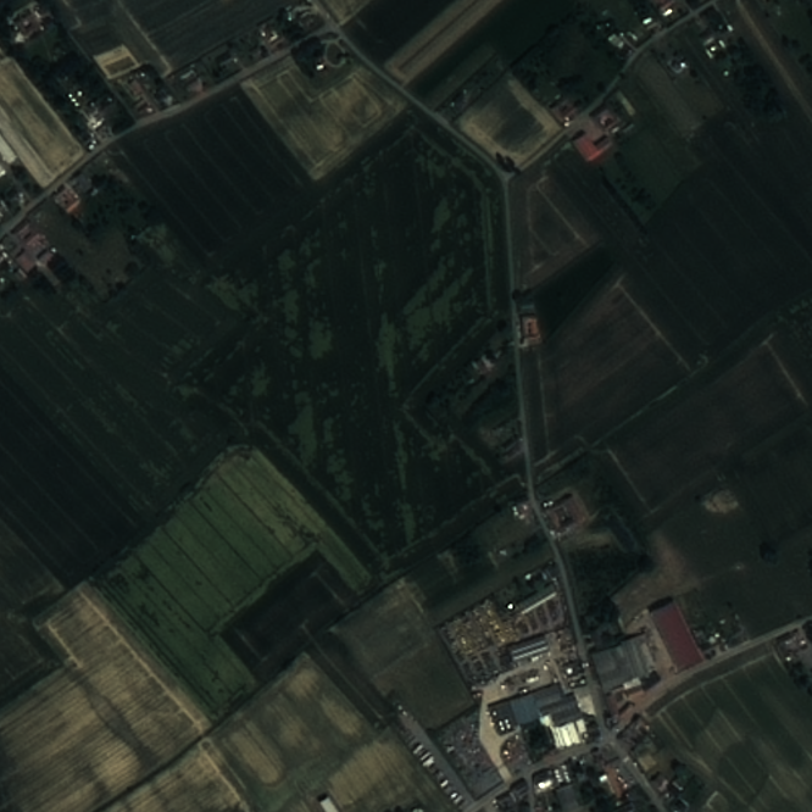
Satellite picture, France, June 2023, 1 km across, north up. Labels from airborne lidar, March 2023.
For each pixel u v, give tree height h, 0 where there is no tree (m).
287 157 0
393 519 0
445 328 0
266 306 0
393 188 0
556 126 0
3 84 0
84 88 7
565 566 0
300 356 0
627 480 0
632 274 0
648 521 0
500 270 0
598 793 11
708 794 0
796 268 0
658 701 0
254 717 0
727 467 0
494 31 0
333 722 0
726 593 0
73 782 0
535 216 0
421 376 0
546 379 0
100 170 0
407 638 0
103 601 0
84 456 0
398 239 0
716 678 0
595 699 0
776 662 0
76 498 0
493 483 0
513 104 0
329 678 0
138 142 0
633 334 0
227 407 0
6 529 0
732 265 0
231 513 0
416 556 0
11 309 0
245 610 0
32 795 0
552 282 0
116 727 0
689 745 0
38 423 0
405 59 0
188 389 0
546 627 0
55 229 0
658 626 0
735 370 0
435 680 0
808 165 0
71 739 0
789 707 0
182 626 0
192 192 0
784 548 0
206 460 0
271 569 0
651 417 0
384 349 0
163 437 0
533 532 0
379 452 0
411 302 0
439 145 0
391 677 0
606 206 0
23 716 0
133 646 0
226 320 0
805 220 0
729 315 0
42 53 0
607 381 0
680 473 0
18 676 0
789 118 0
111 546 0
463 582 0
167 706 0
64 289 0
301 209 0
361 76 0
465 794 0
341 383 0
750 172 0
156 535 0
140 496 0
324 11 0
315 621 0
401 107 0
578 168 0
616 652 0
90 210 0
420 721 0
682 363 0
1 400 0
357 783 0
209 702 0
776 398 0
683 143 0
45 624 0
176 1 0
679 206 0
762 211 0
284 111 0
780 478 0
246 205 0
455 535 0
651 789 0
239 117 0
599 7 0
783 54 0
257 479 0
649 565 13
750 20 0
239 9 0
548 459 0
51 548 0
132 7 0
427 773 0
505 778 0
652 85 0
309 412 0
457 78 0
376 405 0
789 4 0
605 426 0
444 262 0
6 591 0
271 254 0
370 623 0
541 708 0
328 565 0
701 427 0
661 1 0
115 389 0
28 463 0
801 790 0
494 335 0
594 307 0
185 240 0
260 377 0
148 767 0
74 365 0
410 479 0
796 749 0
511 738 0
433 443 0
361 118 0
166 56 0
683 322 0
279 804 0
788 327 0
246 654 0
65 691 0
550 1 0
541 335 0
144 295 0
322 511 0
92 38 0
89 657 0
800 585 0
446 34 0
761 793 0
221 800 0
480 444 0
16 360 0
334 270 0
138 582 0
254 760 0
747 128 0
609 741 0
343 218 0
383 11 0
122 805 0
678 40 0
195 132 0
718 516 0
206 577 0
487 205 0
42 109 0
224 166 0
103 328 0
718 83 0
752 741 0
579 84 10
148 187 0
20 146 0
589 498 0
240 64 0
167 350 0
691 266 0
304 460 0
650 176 0
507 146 0
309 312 0
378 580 0
